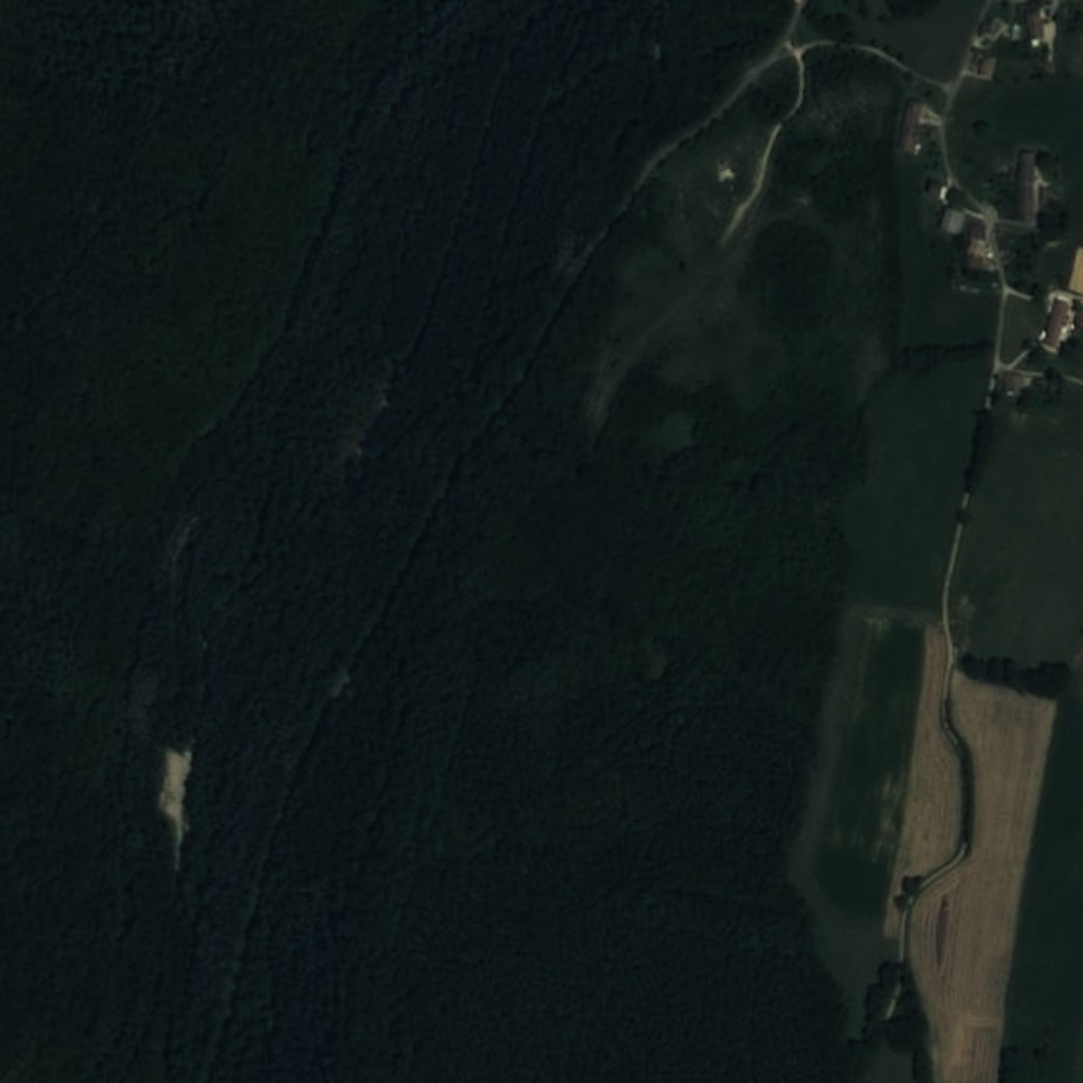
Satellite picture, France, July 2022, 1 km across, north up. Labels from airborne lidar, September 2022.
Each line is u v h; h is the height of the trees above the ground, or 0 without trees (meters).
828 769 0
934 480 0
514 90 18
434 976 16
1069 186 0
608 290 6
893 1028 15
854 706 0
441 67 21
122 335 17
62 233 17
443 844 15
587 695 13
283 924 19
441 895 15
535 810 15
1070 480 0
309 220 19
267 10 19
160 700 15
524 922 16
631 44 24
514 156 16
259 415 25
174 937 16
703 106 14
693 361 0
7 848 23
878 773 0
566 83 17
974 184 0
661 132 16
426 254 28
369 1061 19
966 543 0
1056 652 0
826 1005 22
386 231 23
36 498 19
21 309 9
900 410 0
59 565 25
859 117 7
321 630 19
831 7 0
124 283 10
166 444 18
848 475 11
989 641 0
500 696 17
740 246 0
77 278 18
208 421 16
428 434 22
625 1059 21
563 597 15
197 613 24
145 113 20
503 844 17
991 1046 0
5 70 21
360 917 24
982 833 0
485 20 19
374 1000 18
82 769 21
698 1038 19
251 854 15
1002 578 0
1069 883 0
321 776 21
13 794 22
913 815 0
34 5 24
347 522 28
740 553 5
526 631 19
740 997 19
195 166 14
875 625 0
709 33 13
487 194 16
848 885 0
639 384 9
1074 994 0
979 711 0
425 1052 18
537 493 16
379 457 18
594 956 17
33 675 24
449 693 11
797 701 15
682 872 22
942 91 0
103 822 15
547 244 17
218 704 21
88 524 23
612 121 21
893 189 6
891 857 0
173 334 19
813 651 17
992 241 0
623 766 16
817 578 9
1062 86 0
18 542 28
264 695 24
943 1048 0
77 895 20
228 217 23
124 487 17
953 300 0
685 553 12
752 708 15
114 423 18
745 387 0
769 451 13
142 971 20
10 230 22
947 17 0
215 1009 21
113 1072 14
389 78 34
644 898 21
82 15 22
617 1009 20
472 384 21
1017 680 18
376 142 28
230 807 23
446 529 16
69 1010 17
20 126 22
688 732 17
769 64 0
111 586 21
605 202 20
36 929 22
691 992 21
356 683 12
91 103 21
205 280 16
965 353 15
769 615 15
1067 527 0
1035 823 0
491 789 17
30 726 26
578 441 12
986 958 0
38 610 28
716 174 0
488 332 18
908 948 0
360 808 17
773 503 11
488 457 20
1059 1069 0
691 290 0
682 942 18
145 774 20
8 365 16
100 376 18
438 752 13
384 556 24
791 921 20
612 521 13
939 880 0
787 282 9
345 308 28
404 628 19
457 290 16
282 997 19
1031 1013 0
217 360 15
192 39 25
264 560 17
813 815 0
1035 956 0
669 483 17
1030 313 0
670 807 16
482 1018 19
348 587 29
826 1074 18
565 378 7
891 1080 0
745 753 15
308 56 25
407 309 21
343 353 22
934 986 0
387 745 17
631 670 11
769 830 23
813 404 9
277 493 22
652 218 9
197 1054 14
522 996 18
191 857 21
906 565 0
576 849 16
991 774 0
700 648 11
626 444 10
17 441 10
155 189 12
